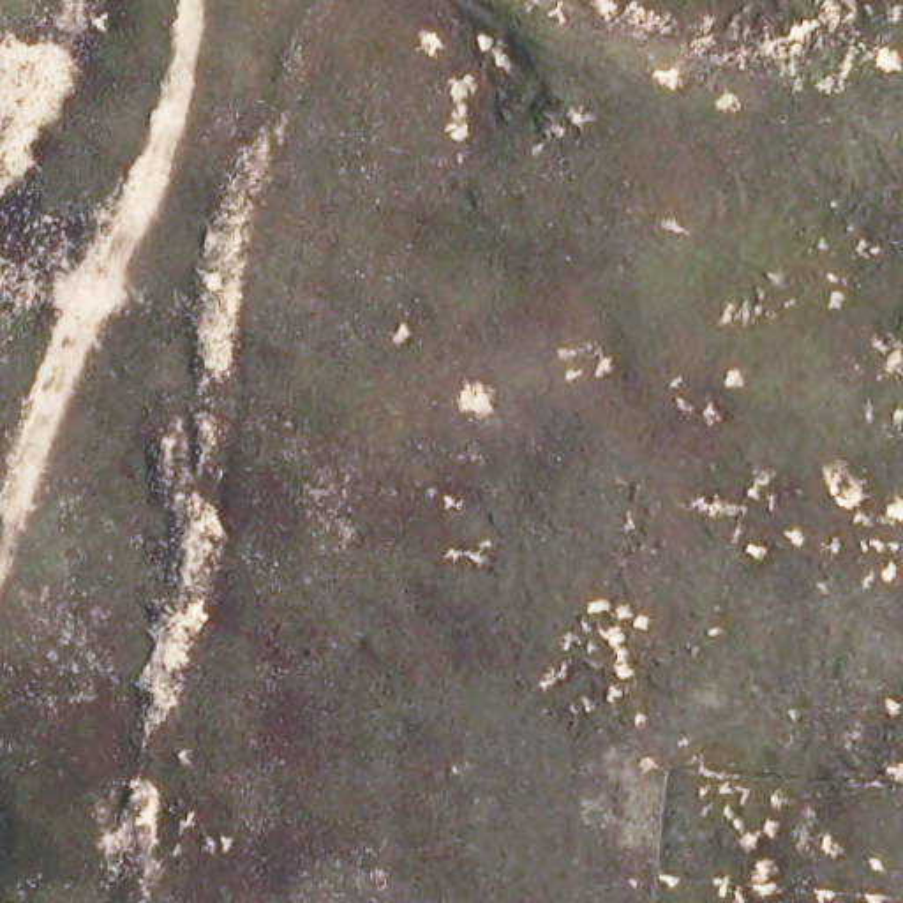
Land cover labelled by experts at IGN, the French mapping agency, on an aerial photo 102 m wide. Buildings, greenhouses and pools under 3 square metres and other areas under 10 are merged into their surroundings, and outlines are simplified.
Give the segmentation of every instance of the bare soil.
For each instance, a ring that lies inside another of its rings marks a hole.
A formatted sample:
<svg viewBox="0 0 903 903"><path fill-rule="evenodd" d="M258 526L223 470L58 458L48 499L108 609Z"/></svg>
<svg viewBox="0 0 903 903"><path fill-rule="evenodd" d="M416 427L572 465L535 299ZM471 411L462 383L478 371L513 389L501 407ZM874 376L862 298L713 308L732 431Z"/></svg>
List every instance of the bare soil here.
<svg viewBox="0 0 903 903"><path fill-rule="evenodd" d="M667 875L660 861L660 822L670 772L656 765L656 758L638 762L621 748L607 748L607 780L593 797L582 797L582 825L614 829L624 847L638 847L646 854L646 864L663 878L667 889L674 889L677 875Z"/></svg>
<svg viewBox="0 0 903 903"><path fill-rule="evenodd" d="M765 822L751 832L734 808L723 808L723 818L741 840L741 847L755 847L758 840L776 836L776 822Z"/></svg>
<svg viewBox="0 0 903 903"><path fill-rule="evenodd" d="M71 236L60 240L56 250L32 247L21 265L0 257L0 300L11 300L25 310L35 303L56 307L56 279L74 275L78 265L67 257Z"/></svg>
<svg viewBox="0 0 903 903"><path fill-rule="evenodd" d="M737 794L741 801L751 797L751 787L737 783L737 776L709 769L702 755L695 755L688 769L705 780L716 780L720 794Z"/></svg>
<svg viewBox="0 0 903 903"><path fill-rule="evenodd" d="M818 81L818 92L843 92L857 63L878 63L882 71L899 67L899 56L892 49L857 42L847 49L836 74Z"/></svg>
<svg viewBox="0 0 903 903"><path fill-rule="evenodd" d="M102 832L106 850L102 861L109 875L134 878L138 896L148 903L152 903L152 885L162 875L162 864L155 857L159 790L148 780L127 783L120 776L109 780L109 787L95 801L95 829Z"/></svg>
<svg viewBox="0 0 903 903"><path fill-rule="evenodd" d="M571 635L561 635L561 667L550 667L540 677L540 688L554 688L557 681L564 681L571 646L586 649L593 670L614 670L617 677L631 677L624 638L638 628L649 628L649 617L621 603L593 600L582 614L582 624Z"/></svg>
<svg viewBox="0 0 903 903"><path fill-rule="evenodd" d="M670 14L628 4L635 39L642 39L646 32L670 28Z"/></svg>
<svg viewBox="0 0 903 903"><path fill-rule="evenodd" d="M198 494L198 483L201 476L222 480L226 466L215 452L215 420L201 416L187 430L183 420L173 420L169 434L162 437L162 490L173 501L176 515L190 519L190 529L183 536L176 614L155 624L155 656L141 677L141 684L152 691L145 734L155 734L159 723L169 720L169 709L183 691L187 649L198 628L205 624L208 578L219 571L222 522L215 508Z"/></svg>
<svg viewBox="0 0 903 903"><path fill-rule="evenodd" d="M342 554L353 540L353 501L349 487L335 487L332 469L325 466L314 476L314 487L307 487L303 522L317 554Z"/></svg>
<svg viewBox="0 0 903 903"><path fill-rule="evenodd" d="M815 0L822 14L794 25L787 35L762 42L762 53L780 63L780 74L790 81L794 92L804 88L797 71L804 39L825 25L854 25L854 0Z"/></svg>
<svg viewBox="0 0 903 903"><path fill-rule="evenodd" d="M892 501L889 511L868 515L861 504L861 483L850 473L832 466L822 473L832 501L847 508L857 526L878 526L878 536L861 540L861 550L899 550L899 543L889 540L889 529L903 522L903 501Z"/></svg>
<svg viewBox="0 0 903 903"><path fill-rule="evenodd" d="M56 25L74 32L85 32L85 0L60 0L63 7L56 14Z"/></svg>
<svg viewBox="0 0 903 903"><path fill-rule="evenodd" d="M473 78L455 78L448 134L462 141L469 131L466 95L476 85Z"/></svg>
<svg viewBox="0 0 903 903"><path fill-rule="evenodd" d="M279 113L275 127L261 127L257 141L240 152L240 166L226 183L222 212L215 215L215 226L205 240L205 317L198 328L205 349L205 370L198 377L201 388L212 388L233 363L233 332L243 289L240 247L250 236L250 201L268 176L268 152L286 141L289 131L289 113Z"/></svg>

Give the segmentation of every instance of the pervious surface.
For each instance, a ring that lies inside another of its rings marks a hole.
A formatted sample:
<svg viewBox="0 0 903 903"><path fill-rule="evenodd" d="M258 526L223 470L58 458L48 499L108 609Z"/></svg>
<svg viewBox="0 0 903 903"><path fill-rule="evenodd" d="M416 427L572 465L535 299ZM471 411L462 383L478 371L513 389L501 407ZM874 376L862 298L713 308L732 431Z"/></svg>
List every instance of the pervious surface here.
<svg viewBox="0 0 903 903"><path fill-rule="evenodd" d="M159 109L152 116L148 145L127 176L116 222L88 243L88 254L78 265L74 275L56 279L56 307L49 349L32 384L32 406L25 409L0 487L0 582L14 564L18 536L32 511L49 444L81 377L85 356L99 339L102 321L123 307L127 265L162 205L176 141L183 134L194 92L205 0L180 0L173 25L173 63L162 85Z"/></svg>
<svg viewBox="0 0 903 903"><path fill-rule="evenodd" d="M0 42L0 194L25 176L39 127L60 113L63 95L71 92L74 60L67 49L53 42L28 46L7 35Z"/></svg>

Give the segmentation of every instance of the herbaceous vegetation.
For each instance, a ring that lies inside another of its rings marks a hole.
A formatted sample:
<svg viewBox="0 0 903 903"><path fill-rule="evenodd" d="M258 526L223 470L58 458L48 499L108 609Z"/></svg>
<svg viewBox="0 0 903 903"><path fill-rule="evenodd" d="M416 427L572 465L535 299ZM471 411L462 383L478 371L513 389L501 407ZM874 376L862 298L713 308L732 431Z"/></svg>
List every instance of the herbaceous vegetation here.
<svg viewBox="0 0 903 903"><path fill-rule="evenodd" d="M646 32L642 39L635 39L628 4L670 14L670 28ZM99 339L85 356L81 377L49 444L32 511L18 536L14 564L0 582L0 903L148 903L138 896L134 878L109 875L102 861L106 850L102 832L95 829L95 801L109 787L109 780L120 776L127 783L148 780L159 790L155 857L162 864L162 875L152 885L152 903L903 903L903 522L889 529L889 540L899 543L899 550L861 550L861 540L878 536L878 526L857 526L847 508L832 501L822 473L832 466L850 473L861 483L861 504L868 515L889 511L892 501L903 501L903 0L854 0L854 25L825 25L804 39L797 71L804 88L794 92L790 81L780 74L780 63L762 53L762 42L787 35L794 25L822 14L815 0L205 0L194 92L183 134L176 141L162 205L127 265L123 307L102 321ZM878 63L857 63L843 92L818 92L818 81L836 74L847 49L857 42L892 49L899 56L899 67L882 71ZM466 95L469 131L462 141L448 134L455 78L473 78L476 85ZM212 388L201 388L198 377L205 370L205 349L198 328L205 317L205 240L215 226L215 215L222 212L226 183L240 166L240 152L257 141L261 127L275 127L279 113L289 113L289 131L286 141L268 152L268 176L250 201L250 236L240 247L243 289L233 332L233 363ZM173 501L162 490L162 437L169 434L173 420L183 420L187 430L201 416L215 420L215 452L226 466L222 480L201 476L198 483L198 494L215 508L222 522L219 571L208 578L205 624L198 628L187 649L183 691L169 709L169 720L159 723L155 734L145 734L152 691L141 684L141 677L155 656L155 624L176 614L183 536L190 529L190 519L176 515ZM325 466L332 469L335 487L349 487L353 501L353 540L342 554L317 554L303 522L307 487L314 487L314 476ZM593 600L621 603L649 617L649 628L638 628L624 638L631 677L617 677L614 670L593 670L586 649L571 646L564 681L557 681L554 688L540 688L540 677L550 667L561 667L561 635L571 635L582 624L582 614ZM677 875L674 889L667 889L663 878L646 864L646 854L638 847L624 847L614 829L582 825L582 797L593 797L607 780L607 748L621 748L638 762L656 758L656 765L670 772L660 822L660 861L667 875ZM720 794L716 780L705 780L688 769L695 755L702 755L709 769L737 776L737 783L751 787L751 797L741 801L737 794ZM723 818L723 808L734 808L751 832L765 822L776 822L776 836L758 840L755 847L741 847L741 840Z"/></svg>
<svg viewBox="0 0 903 903"><path fill-rule="evenodd" d="M39 127L25 176L0 194L0 257L21 265L32 247L56 250L60 240L71 236L67 257L78 265L88 254L88 243L116 222L127 176L148 145L152 116L159 109L162 85L173 63L173 25L180 0L85 0L85 32L74 32L56 25L56 14L63 7L60 0L0 0L0 42L7 35L28 46L53 42L67 49L74 60L71 92L63 95L60 113Z"/></svg>
<svg viewBox="0 0 903 903"><path fill-rule="evenodd" d="M25 409L32 406L32 384L49 349L56 307L35 303L25 310L11 300L0 300L0 487Z"/></svg>

